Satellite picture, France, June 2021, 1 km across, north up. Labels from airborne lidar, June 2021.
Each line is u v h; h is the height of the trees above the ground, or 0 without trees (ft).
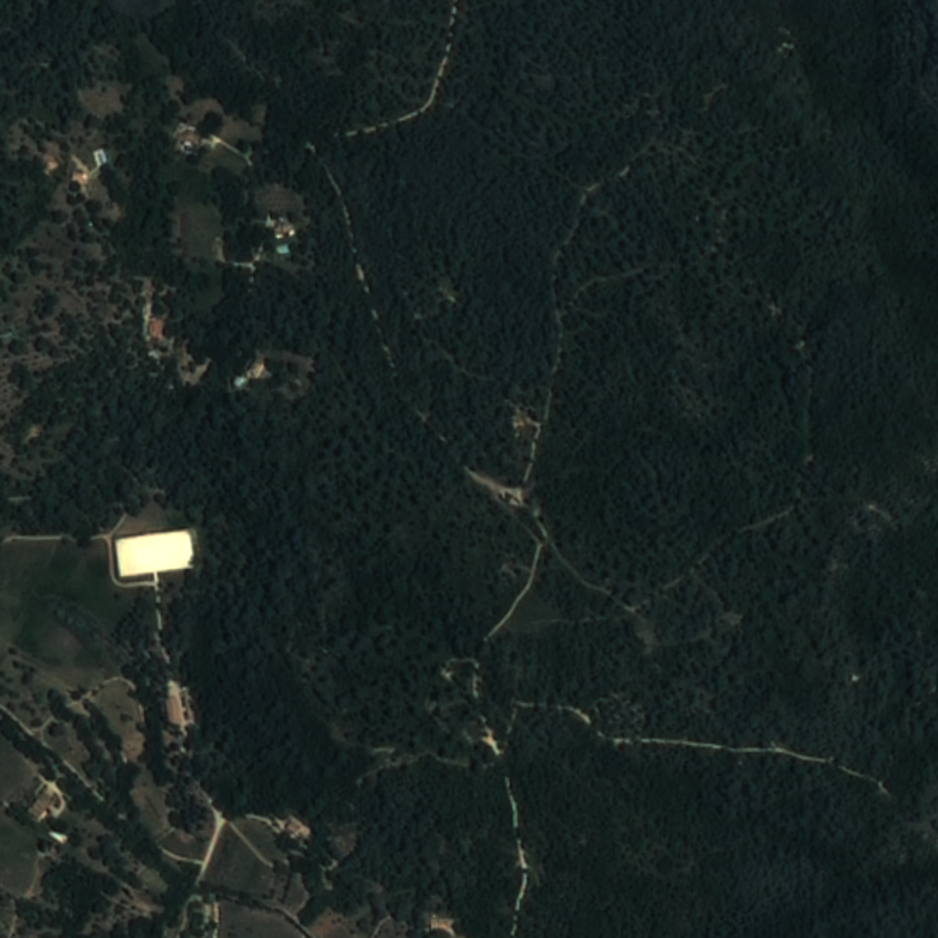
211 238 0
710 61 52
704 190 59
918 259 56
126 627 41
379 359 49
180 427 68
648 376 34
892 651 60
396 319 31
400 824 67
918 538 43
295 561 57
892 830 59
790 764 24
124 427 53
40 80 64
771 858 34
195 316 44
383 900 59
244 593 62
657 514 65
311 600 40
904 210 42
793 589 32
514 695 49
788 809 56
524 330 55
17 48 63
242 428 76
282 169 39
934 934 44
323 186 33
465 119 49
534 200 56
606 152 51
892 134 33
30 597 0
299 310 49
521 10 56
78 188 29
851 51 45
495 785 18
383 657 65
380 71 34
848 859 54
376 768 59
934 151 76
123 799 30
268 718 26
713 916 49
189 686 58
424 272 58
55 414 36
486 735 24
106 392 54
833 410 42
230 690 36
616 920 39
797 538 27
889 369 31
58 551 0
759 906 69
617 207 38
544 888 26
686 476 54
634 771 45
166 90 33
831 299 60
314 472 31
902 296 44
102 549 0
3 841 0
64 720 42
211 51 38
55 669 0
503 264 48
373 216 33
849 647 112
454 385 61
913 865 55
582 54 55
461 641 68
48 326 30
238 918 0
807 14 35
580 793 34
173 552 0
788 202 65
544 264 47
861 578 42
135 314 21
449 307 49
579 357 47
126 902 22
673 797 39
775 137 31
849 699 62
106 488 44
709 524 41
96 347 32
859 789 41
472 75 53
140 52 30
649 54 43
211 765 59
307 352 73
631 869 22
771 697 58
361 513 68
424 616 29
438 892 58
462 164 43
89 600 0
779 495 54
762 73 76
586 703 37
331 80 31
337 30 24
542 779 22
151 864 34
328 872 32
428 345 53
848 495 69
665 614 39
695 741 31
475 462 63
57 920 33
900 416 42
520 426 0
